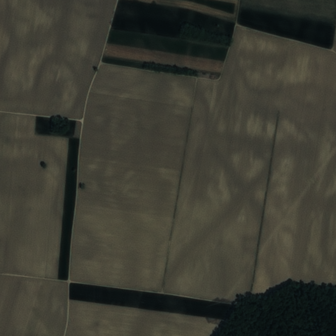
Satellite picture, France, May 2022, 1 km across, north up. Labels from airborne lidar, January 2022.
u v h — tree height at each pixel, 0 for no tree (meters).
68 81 0
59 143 0
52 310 0
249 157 0
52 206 0
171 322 0
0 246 0
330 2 0
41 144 0
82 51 0
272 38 0
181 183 0
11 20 0
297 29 0
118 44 0
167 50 0
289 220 0
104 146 0
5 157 0
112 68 0
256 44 0
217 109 0
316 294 20
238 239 0
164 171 0
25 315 0
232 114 0
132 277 0
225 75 0
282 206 0
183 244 0
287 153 0
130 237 0
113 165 0
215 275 0
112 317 0
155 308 0
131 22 0
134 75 0
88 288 0
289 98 0
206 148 0
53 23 0
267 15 0
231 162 0
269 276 0
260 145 0
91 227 0
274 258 0
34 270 0
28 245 0
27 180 0
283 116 0
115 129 0
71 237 0
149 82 0
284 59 0
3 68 0
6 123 0
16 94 0
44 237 0
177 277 0
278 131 0
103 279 0
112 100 0
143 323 0
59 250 0
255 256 0
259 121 0
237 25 0
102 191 0
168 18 0
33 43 0
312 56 0
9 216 0
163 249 0
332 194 0
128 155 0
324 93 0
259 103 0
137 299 0
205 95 0
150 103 0
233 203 0
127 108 0
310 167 0
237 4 0
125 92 0
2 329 0
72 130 0
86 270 0
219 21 0
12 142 0
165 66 10
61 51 0
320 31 0
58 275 0
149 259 0
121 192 0
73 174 0
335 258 0
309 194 0
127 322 0
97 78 0
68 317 0
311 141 0
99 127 0
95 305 0
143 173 0
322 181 0
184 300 0
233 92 0
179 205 0
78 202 0
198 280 0
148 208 0
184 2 0
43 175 0
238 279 0
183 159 0
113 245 0
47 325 0
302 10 0
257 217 0
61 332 0
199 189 0
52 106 0
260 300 25
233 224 0
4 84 0
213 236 0
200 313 0
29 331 0
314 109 0
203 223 0
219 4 0
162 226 0
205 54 0
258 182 0
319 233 0
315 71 0
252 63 0
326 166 0
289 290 19
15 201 0
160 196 0
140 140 0
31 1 0
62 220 0
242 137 0
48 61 0
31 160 0
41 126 0
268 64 0
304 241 0
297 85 0
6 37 0
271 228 0
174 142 0
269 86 0
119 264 0
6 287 0
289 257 0
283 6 0
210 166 0
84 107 0
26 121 0
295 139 0
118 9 0
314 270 0
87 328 0
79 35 0
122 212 0
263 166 0
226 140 0
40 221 0
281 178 0
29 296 0
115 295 0
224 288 0
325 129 0
